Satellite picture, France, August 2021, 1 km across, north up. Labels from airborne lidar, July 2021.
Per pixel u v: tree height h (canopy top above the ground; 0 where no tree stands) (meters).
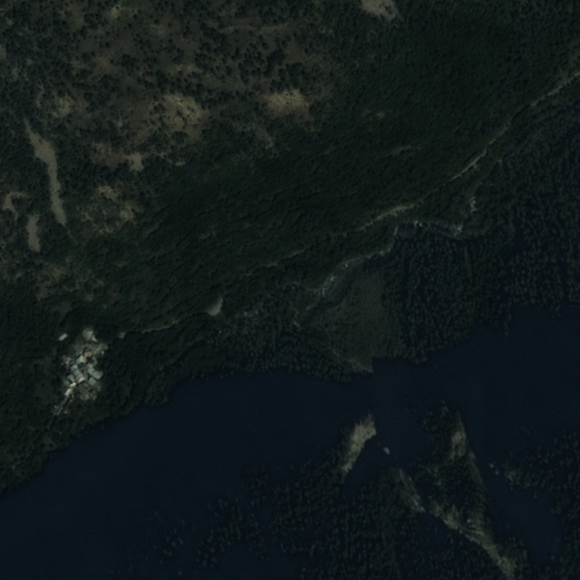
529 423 5
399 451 0
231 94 8
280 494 23
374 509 6
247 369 29
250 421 14
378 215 12
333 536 21
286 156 14
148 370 19
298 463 14
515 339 13
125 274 17
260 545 19
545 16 7
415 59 11
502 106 9
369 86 10
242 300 15
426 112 11
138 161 0
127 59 14
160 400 13
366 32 13
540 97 8
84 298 7
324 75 6
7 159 13
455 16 11
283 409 28
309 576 13
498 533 9
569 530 20
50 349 13
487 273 11
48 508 14
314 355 9
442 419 8
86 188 13
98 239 7
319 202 13
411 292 28
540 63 12
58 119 9
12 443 13
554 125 24
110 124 8
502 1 8
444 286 31
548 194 6
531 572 7
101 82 8
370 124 11
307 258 21
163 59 0
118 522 6
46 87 13
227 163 8
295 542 16
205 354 23
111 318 12
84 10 8
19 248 14
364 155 10
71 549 14
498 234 12
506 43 16
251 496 11
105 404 10
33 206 15
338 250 16
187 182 11
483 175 8
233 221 8
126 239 6
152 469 29
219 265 10
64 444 17
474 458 0
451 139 10
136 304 10
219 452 0
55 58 7
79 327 13
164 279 13
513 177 27
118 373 13
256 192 12
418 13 13
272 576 19
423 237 21
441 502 12
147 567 20
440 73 20
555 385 15
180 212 14
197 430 12
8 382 12
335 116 9
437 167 10
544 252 20
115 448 9
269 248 7
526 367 12
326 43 8
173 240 11
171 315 13
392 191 11
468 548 9
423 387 9
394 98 10
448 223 19
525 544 9
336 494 21
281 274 14
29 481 9
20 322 16
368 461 8
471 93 19
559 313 19
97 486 24
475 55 13
